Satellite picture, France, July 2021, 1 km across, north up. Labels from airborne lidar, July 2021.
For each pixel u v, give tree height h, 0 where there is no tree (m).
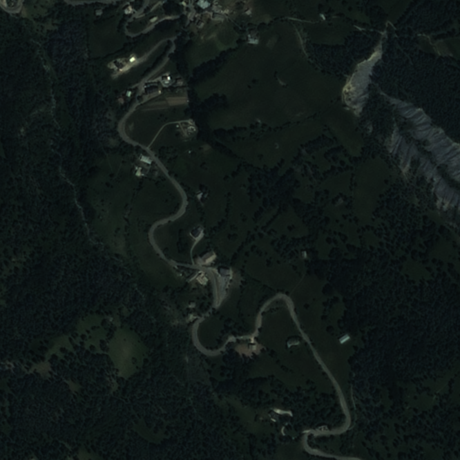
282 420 23
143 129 0
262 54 0
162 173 0
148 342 8
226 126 0
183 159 0
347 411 0
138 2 7
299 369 0
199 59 0
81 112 10
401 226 8
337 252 19
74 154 17
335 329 13
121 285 9
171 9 23
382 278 9
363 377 17
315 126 0
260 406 11
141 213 0
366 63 0
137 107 0
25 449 9
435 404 0
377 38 13
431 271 19
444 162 0
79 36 16
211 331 0
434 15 26
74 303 10
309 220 12
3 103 23
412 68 19
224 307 0
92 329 8
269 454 8
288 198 23
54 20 16
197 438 17
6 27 8
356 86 0
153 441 0
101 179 0
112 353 0
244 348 0
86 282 15
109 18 6
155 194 0
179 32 7
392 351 25
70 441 24
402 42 17
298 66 0
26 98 7
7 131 17
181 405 16
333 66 14
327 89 0
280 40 0
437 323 23
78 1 0
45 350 21
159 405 10
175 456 19
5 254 16
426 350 20
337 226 0
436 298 13
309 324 0
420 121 0
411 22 18
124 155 9
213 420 10
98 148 15
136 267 6
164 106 0
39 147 21
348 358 0
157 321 9
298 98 0
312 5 0
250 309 0
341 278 25
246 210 0
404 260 16
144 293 9
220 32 0
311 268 20
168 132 0
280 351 0
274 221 7
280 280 0
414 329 23
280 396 11
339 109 0
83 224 7
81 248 6
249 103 0
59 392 25
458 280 19
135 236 0
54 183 25
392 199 16
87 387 16
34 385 27
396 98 10
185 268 10
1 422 14
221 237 0
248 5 0
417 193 7
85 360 17
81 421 18
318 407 9
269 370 0
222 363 0
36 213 18
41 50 7
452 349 13
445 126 14
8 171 19
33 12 0
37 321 9
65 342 0
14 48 13
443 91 22
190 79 11
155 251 0
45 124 7
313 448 7
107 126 8
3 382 0
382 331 24
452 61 22
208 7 0
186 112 13
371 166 0
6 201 13
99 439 8
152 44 0
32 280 26
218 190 0
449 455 15
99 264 18
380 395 19
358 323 15
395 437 0
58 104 8
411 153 0
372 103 18
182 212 0
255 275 0
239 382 22
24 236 12
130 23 10
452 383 16
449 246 0
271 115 0
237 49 6
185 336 6
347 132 0
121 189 0
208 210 0
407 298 6
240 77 0
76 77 10
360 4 14
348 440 10
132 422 9
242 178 0
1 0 0
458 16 24
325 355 0
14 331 19
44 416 26
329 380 8
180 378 10
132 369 0
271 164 0
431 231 17
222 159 0
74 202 6
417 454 15
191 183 0
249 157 0
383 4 0
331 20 15
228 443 8
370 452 16
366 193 0
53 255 10
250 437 12
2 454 14
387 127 11
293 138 0
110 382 6
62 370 23
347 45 12
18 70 18
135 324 10
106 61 8
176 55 17
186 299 0
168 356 11
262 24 11
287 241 11
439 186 0
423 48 0
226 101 17
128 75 0
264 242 0
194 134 0
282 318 0
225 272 0
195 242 0
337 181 0
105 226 0
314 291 0
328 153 15
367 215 0
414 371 14
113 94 10
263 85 0
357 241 0
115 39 0
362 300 25
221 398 16
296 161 10
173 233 0
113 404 19
